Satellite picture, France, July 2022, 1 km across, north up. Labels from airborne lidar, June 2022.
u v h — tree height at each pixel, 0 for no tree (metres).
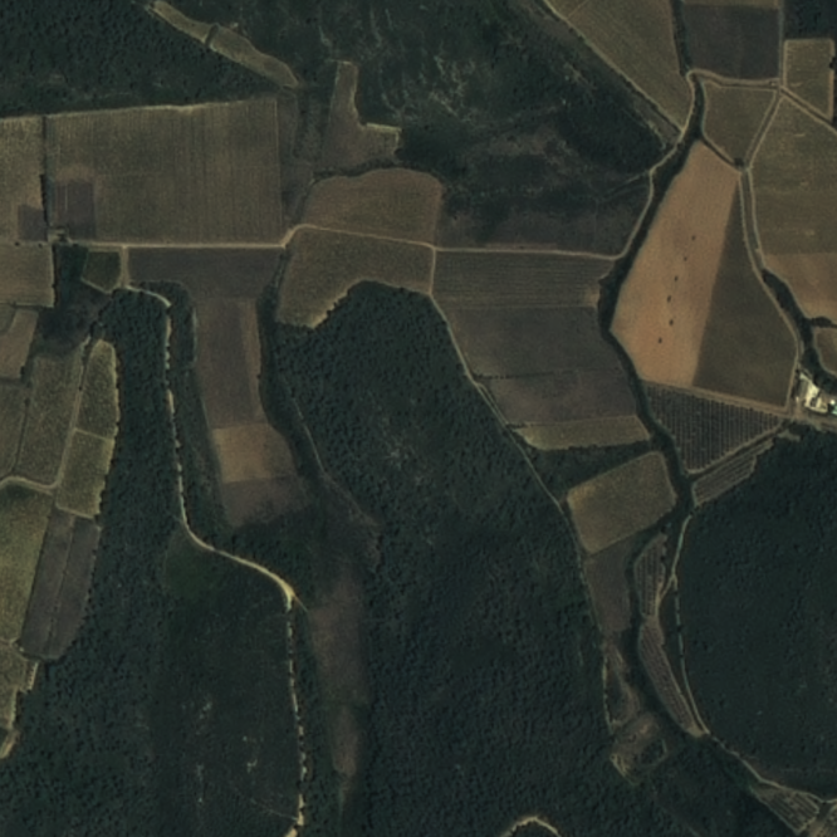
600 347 0
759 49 0
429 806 9
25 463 0
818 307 0
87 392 0
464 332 0
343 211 0
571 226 0
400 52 0
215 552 5
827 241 0
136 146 0
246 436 0
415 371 8
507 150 0
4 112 9
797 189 0
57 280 10
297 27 0
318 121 0
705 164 0
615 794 10
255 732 0
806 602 6
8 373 0
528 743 14
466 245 0
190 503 15
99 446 0
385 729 10
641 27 0
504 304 0
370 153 0
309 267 0
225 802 8
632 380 7
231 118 0
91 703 9
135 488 7
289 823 6
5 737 0
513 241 0
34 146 0
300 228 0
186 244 0
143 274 0
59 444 0
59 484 0
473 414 11
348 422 10
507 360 0
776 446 9
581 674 6
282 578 8
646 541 7
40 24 10
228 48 0
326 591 0
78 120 0
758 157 0
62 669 13
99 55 9
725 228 0
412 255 0
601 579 0
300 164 0
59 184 0
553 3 0
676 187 0
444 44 0
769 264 0
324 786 18
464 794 12
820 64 0
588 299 0
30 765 9
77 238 0
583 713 8
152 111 0
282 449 0
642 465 0
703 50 0
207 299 0
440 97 0
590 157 8
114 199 0
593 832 12
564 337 0
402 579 10
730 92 0
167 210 0
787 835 11
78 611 0
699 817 7
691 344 0
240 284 0
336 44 6
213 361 0
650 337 0
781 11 0
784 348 0
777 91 0
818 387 12
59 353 0
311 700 19
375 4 0
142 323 10
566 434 0
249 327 0
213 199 0
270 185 0
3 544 0
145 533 7
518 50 8
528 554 12
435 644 10
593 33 0
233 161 0
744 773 8
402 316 11
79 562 0
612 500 0
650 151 6
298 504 0
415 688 9
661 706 8
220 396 0
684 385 0
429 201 0
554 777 10
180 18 0
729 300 0
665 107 0
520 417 0
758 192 0
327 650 0
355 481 11
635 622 14
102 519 9
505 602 15
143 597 8
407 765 10
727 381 0
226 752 11
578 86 9
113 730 10
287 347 8
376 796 15
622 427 0
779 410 0
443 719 7
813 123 0
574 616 12
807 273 0
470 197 8
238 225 0
